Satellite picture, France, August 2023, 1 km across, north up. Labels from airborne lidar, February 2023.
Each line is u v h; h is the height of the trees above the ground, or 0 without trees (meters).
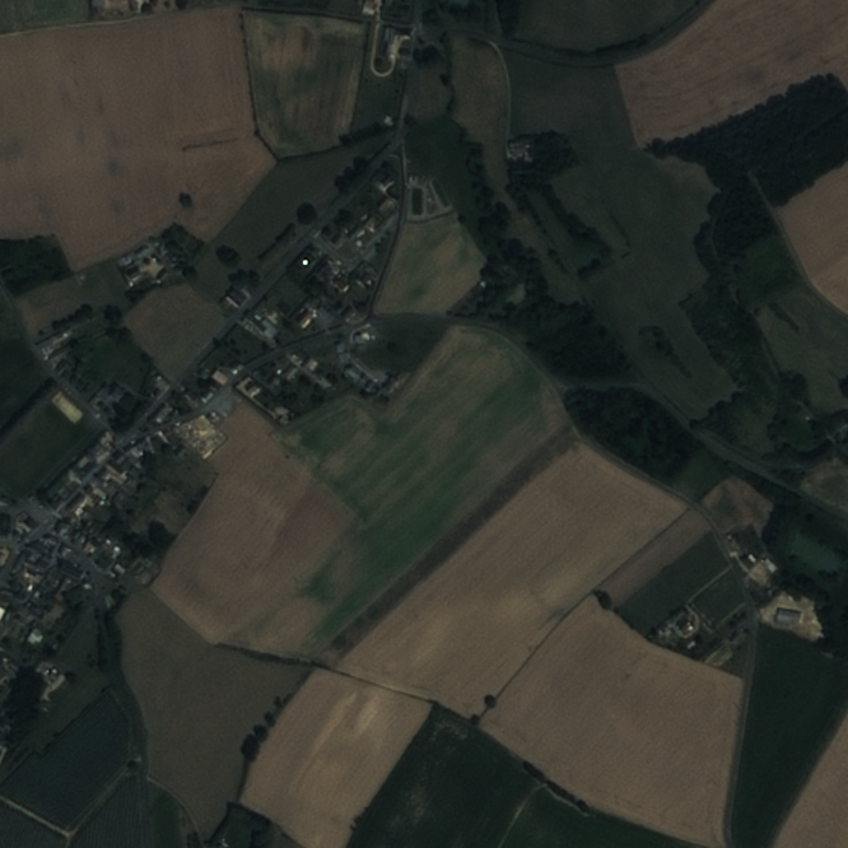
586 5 0
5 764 0
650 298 0
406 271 0
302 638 0
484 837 0
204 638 0
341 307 9
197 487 0
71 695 0
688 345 0
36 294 0
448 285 0
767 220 14
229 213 0
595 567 0
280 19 0
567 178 0
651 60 0
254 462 0
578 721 0
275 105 0
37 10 0
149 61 0
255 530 0
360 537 0
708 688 0
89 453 0
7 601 0
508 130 0
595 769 0
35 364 0
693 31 0
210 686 0
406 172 0
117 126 0
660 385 0
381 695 0
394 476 0
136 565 0
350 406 0
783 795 0
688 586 0
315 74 0
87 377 11
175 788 0
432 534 0
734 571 0
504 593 0
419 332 0
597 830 0
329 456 0
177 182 0
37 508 0
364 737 0
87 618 0
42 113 0
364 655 0
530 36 0
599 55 8
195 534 0
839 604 0
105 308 0
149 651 0
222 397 0
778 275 0
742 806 0
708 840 0
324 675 0
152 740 0
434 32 0
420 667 0
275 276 0
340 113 0
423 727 0
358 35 0
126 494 0
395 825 0
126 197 0
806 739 0
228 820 7
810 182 14
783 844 0
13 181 0
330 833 0
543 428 0
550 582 0
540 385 0
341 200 0
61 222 0
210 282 0
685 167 0
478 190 16
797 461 12
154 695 0
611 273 0
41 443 0
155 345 0
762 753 0
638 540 0
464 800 0
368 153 0
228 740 0
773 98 0
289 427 0
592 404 33
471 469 0
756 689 0
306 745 0
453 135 0
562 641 0
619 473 0
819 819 0
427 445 0
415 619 0
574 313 9
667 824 0
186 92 0
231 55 0
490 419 0
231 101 0
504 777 0
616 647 0
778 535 26
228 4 0
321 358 0
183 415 8
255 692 0
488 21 0
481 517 0
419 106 0
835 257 0
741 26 0
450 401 0
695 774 0
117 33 0
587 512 0
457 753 0
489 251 0
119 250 0
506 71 0
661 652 0
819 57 0
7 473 0
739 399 12
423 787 0
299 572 0
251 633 0
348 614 0
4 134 0
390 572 0
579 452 0
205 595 0
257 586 0
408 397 0
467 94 0
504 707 0
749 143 18
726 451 0
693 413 0
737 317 17
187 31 0
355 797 0
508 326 9
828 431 7
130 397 15
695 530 0
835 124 13
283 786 0
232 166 0
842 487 0
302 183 0
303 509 0
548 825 0
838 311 0
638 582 0
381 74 0
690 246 0
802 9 0
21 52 0
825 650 12
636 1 0
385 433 0
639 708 0
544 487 0
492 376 0
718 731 0
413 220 0
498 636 0
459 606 0
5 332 0
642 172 0
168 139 0
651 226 0
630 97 0
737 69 0
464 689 0
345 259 0
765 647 0
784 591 7
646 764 0
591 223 0
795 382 16
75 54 0
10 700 7
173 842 0
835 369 0
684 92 0
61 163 0
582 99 0
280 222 0
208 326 0
